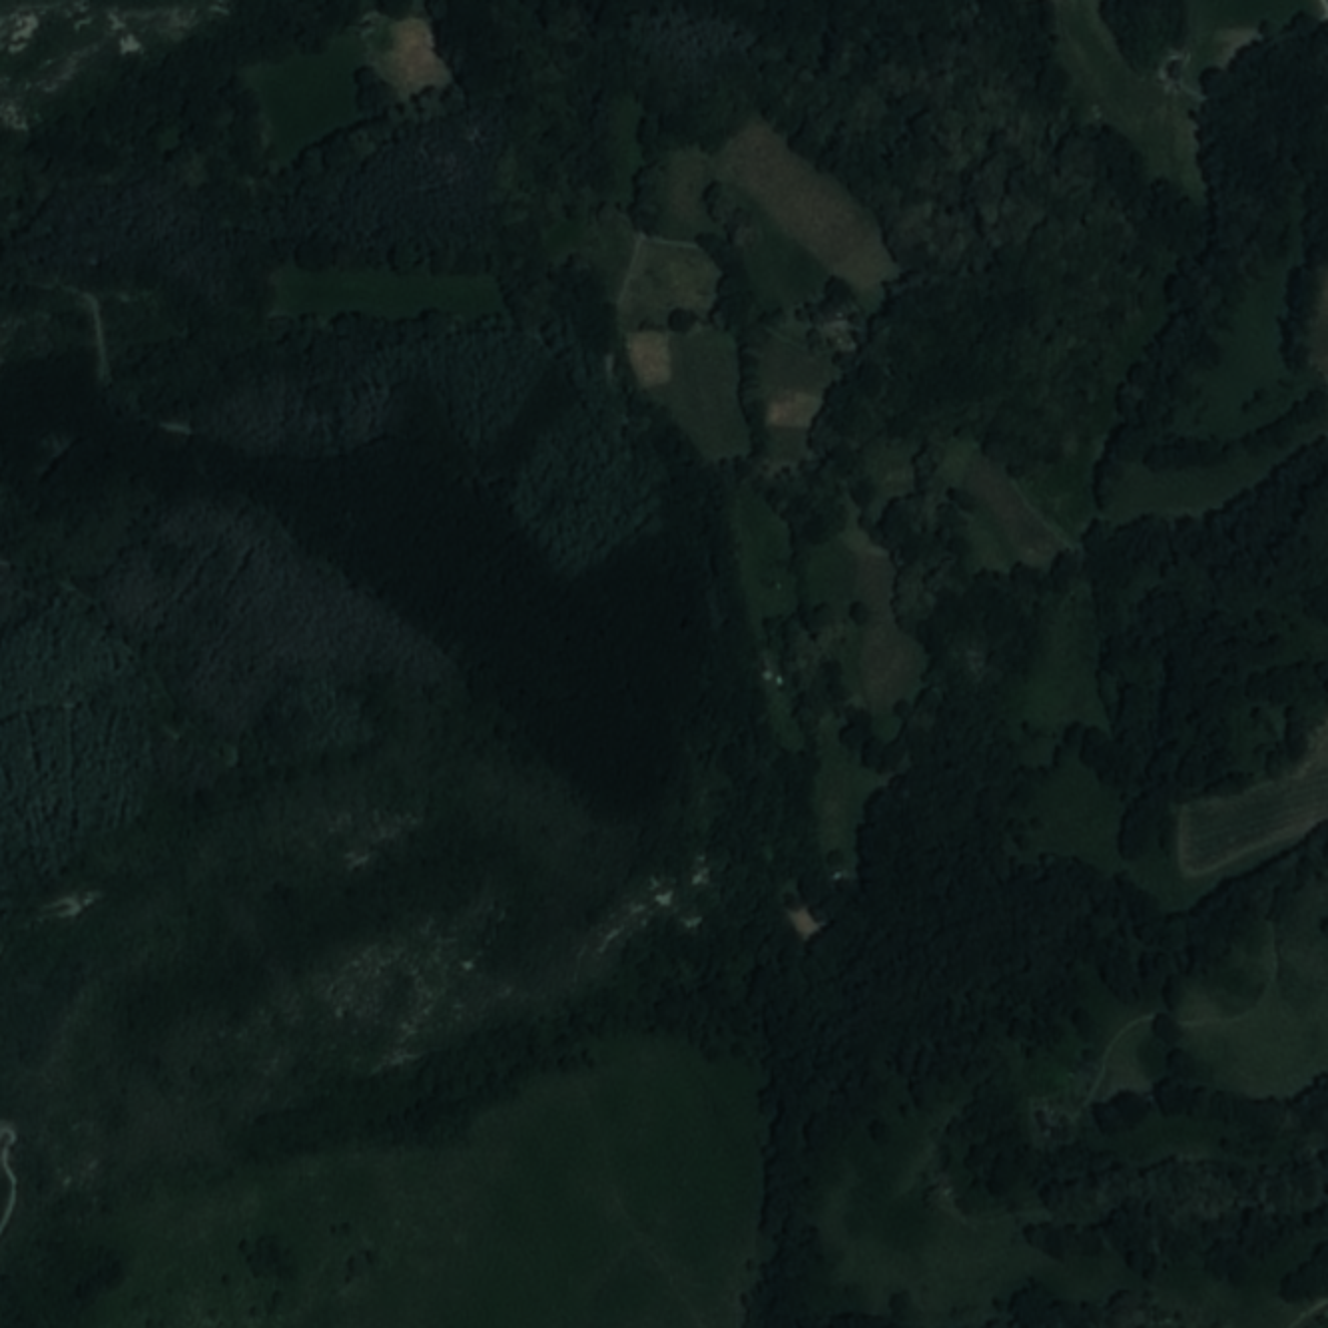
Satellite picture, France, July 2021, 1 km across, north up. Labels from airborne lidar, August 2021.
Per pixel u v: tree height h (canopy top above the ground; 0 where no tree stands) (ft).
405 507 68
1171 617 62
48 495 65
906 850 52
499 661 63
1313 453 54
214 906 19
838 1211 0
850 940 76
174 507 49
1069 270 67
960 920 57
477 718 24
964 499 84
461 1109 52
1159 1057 0
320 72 0
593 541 75
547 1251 0
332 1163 0
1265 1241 51
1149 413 39
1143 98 0
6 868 35
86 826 36
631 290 0
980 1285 0
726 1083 0
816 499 74
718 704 65
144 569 52
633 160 0
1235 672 42
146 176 73
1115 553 49
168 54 27
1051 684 0
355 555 61
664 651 88
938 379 79
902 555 48
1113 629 23
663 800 48
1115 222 74
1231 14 0
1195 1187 71
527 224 77
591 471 92
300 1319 0
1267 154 52
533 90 70
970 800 87
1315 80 63
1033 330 51
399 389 53
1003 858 55
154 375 69
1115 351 70
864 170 87
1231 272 76
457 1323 0
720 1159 0
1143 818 61
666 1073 0
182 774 31
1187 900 0
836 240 0
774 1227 56
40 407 74
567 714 65
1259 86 61
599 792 59
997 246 74
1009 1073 22
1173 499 0
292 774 39
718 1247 0
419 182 63
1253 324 0
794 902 61
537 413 79
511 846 24
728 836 60
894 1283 0
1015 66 92
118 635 64
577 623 65
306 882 20
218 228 77
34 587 40
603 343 85
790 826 78
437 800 20
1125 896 80
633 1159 0
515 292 56
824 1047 48
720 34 88
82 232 64
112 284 40
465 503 69
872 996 59
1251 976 0
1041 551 0
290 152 0
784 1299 67
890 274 0
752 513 0
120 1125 18
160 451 61
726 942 64
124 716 40
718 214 47
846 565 0
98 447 68
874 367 68
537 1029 41
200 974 24
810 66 41
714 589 53
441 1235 0
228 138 78
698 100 86
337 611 57
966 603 73
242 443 54
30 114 18
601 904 20
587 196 70
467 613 67
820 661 69
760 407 71
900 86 73
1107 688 28
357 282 0
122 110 77
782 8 74
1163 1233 61
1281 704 31
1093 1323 71
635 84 72
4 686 48
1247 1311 0
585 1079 0
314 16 54
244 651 59
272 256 84
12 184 47
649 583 81
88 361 50
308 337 62
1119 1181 61
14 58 18
